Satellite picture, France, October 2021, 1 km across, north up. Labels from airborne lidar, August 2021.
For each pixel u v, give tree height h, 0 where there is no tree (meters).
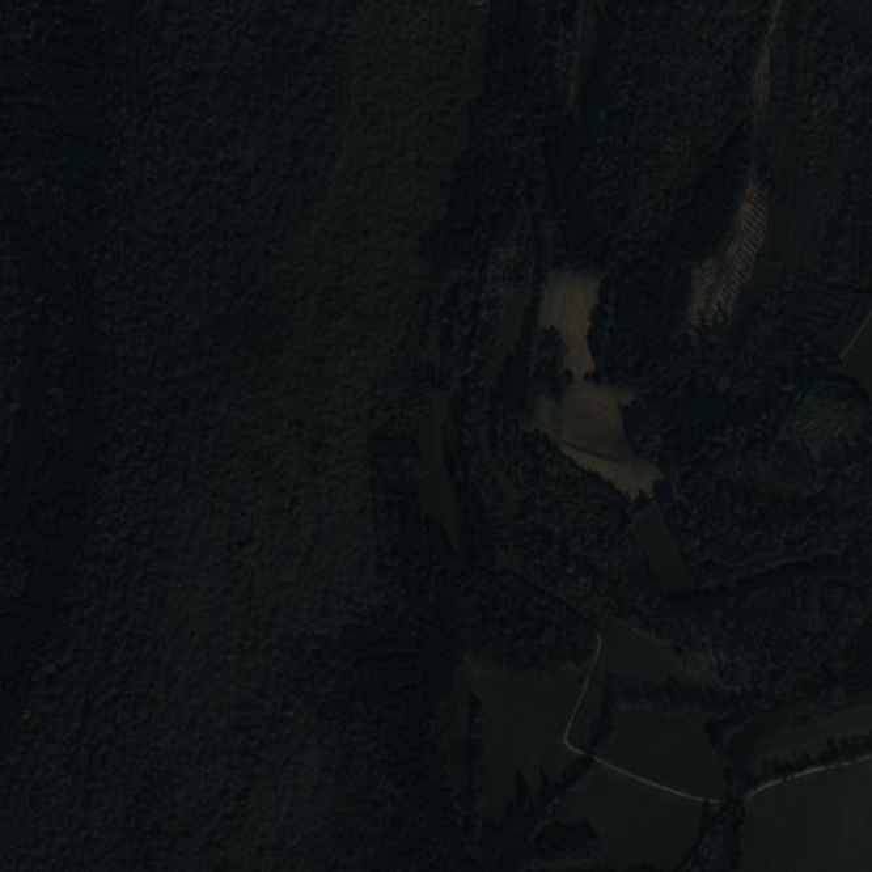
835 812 0
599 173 24
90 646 8
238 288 14
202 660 18
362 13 8
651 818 0
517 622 16
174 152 7
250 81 9
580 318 0
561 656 13
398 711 26
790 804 0
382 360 15
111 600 7
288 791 9
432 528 0
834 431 0
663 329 16
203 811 12
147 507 7
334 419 17
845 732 0
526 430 25
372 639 21
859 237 11
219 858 18
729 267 0
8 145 19
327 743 17
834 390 21
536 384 22
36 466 11
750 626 18
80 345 20
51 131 20
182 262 13
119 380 10
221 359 15
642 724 0
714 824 18
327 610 20
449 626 16
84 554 17
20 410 9
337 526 18
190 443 13
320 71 15
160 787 15
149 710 12
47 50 24
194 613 9
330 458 21
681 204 15
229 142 16
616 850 0
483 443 11
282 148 14
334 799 17
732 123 19
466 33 11
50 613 25
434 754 25
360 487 10
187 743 10
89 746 10
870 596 24
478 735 15
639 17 22
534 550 15
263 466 18
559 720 0
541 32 15
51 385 19
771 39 26
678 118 15
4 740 19
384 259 18
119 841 8
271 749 19
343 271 22
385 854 12
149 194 9
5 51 22
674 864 0
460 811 15
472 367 15
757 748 0
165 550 9
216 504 13
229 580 14
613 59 29
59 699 6
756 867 0
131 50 20
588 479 8
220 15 9
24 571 27
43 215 19
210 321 15
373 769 19
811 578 15
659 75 18
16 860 6
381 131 18
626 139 21
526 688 0
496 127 23
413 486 27
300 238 11
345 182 16
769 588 22
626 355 15
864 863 0
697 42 8
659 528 0
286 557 12
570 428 0
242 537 18
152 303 15
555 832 8
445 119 16
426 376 7
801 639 24
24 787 14
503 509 19
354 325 20
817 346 6
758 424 23
